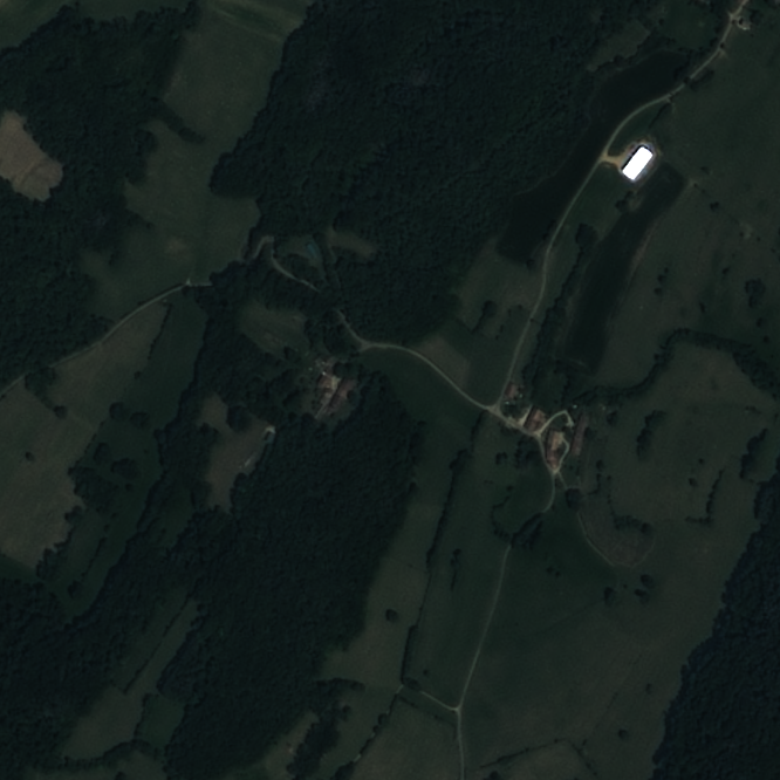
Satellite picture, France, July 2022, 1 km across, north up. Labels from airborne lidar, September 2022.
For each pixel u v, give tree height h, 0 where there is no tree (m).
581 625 0
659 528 0
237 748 16
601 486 7
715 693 30
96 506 14
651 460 0
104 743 0
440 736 0
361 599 23
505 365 0
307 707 19
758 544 21
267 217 14
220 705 18
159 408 0
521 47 19
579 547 0
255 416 6
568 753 0
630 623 0
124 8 0
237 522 6
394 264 14
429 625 0
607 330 0
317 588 18
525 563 0
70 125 17
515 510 0
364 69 15
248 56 0
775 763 21
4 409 0
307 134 21
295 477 12
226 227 0
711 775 23
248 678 15
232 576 17
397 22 18
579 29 17
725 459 0
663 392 0
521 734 0
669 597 0
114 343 0
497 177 9
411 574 0
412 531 0
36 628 22
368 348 0
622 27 16
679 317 0
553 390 0
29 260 17
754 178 0
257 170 23
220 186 21
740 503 0
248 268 17
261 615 14
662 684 0
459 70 22
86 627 21
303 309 18
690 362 0
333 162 15
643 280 0
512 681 0
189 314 0
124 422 8
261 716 16
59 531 0
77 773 12
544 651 0
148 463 0
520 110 15
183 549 19
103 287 0
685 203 0
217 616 16
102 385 0
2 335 10
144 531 12
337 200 22
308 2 0
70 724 16
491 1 26
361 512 16
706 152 0
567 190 0
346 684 15
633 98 0
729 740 25
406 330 16
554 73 15
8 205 16
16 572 0
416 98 27
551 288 0
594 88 12
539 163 10
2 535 0
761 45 0
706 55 12
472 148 12
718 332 0
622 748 0
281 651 14
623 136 0
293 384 17
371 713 0
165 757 6
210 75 0
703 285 0
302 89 20
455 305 13
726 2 14
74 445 0
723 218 0
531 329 0
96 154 22
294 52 20
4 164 0
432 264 7
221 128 0
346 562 21
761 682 30
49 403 8
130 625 23
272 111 17
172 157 0
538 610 0
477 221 11
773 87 0
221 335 19
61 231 17
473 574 0
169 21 10
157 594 15
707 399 0
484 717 0
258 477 8
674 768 34
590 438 12
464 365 0
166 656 0
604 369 0
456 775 0
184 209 0
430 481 0
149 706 13
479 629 0
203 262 0
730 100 0
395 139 14
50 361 13
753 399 0
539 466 7
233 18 0
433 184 12
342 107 16
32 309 17
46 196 0
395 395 14
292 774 13
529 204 0
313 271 14
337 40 15
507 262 0
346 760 0
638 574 0
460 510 0
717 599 0
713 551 0
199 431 18
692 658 0
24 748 8
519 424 0
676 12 0
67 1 0
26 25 0
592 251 17
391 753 0
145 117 17
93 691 19
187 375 0
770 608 31
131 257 0
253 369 15
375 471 11
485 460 0
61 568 17
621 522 9
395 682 0
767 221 0
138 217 10
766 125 0
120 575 24
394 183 16
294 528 18
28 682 25
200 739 16
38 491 0
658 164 0
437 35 24
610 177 0
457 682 0
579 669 0
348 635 19
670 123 0
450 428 0
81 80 14
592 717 0
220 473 0
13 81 17
